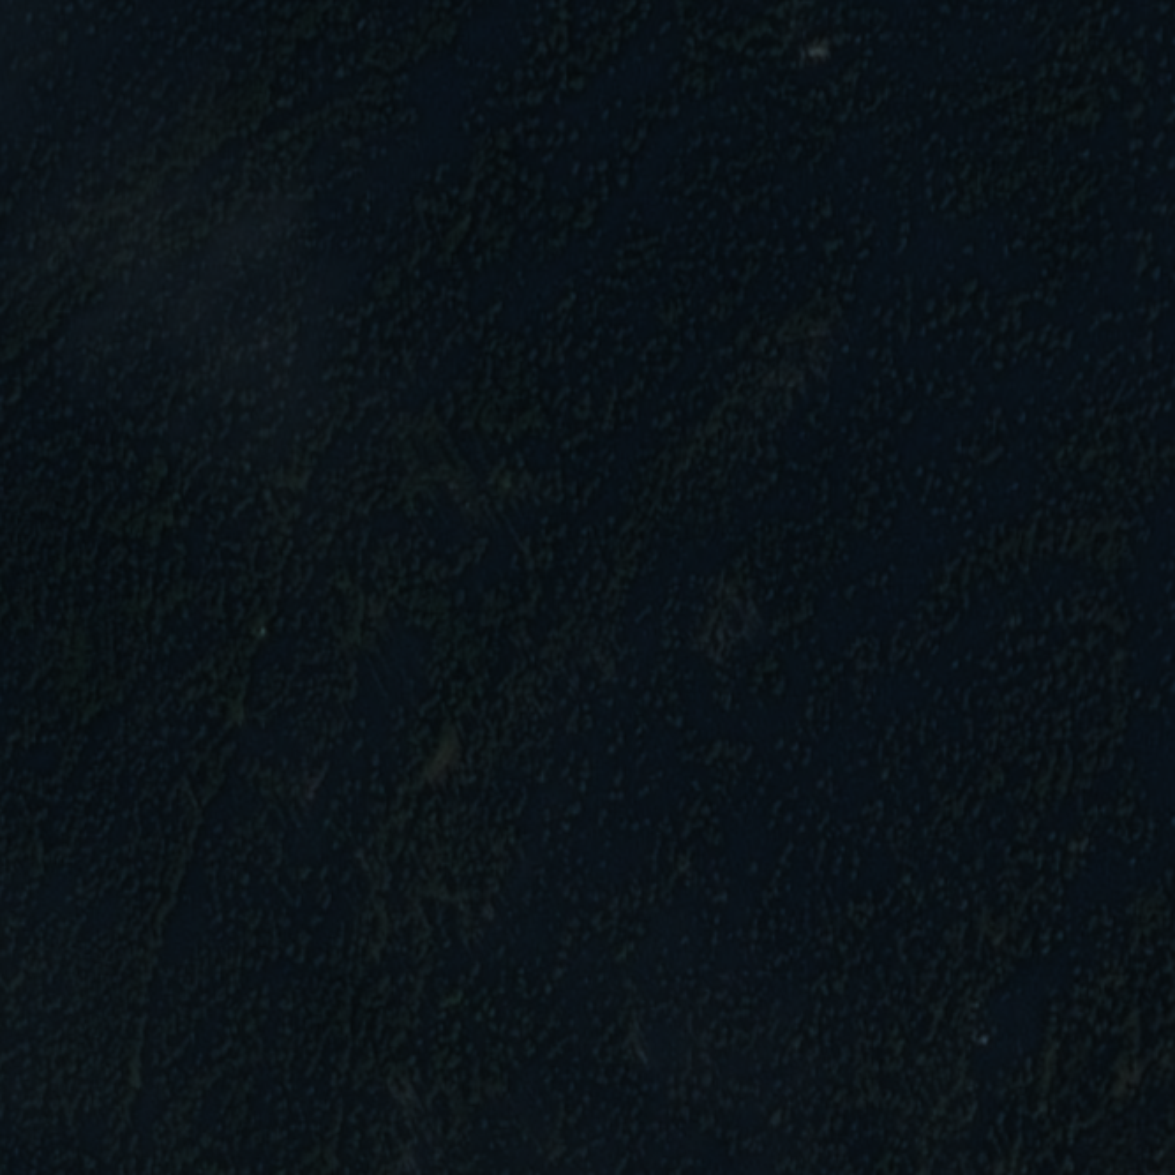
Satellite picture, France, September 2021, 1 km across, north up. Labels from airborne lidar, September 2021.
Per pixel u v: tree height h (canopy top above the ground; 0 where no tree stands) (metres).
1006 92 15
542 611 8
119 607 29
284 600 10
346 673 28
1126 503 14
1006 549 29
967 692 18
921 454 8
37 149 25
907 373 9
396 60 21
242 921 32
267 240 20
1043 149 16
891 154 12
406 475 31
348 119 26
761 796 15
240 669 29
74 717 27
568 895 26
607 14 9
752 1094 25
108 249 25
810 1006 14
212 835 37
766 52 12
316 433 15
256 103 24
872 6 12
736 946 21
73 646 18
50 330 23
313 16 27
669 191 28
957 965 8
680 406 14
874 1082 7
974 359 13
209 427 24
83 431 27
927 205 12
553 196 18
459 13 25
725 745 9
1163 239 28
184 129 28
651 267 20
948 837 9
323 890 7
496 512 27
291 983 16
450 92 18
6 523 22
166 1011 22
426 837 10
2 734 27
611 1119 28
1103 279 14
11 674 29
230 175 17
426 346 17
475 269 16
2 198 26
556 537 19
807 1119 30
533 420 13
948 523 22
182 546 8
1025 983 7
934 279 16
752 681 16
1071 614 26
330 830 14
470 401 22
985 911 8
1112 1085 17
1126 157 13
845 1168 16
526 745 17
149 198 20
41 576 25
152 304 30
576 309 16
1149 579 7
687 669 10
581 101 0
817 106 16
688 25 14
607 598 21
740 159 18
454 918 11
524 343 21
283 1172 17
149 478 18
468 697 14
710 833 8
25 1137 28
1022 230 17
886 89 14
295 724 29
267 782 25
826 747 7
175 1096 29
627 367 13
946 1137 7
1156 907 6
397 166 11
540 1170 12
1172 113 33
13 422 6
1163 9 28
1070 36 17
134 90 34
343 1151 11
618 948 7
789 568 15
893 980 24
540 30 21
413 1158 0
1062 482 8
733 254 17
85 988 22
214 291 27
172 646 12
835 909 11
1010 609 7
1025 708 29
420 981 24
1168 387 26
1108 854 12
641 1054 0
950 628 17
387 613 8
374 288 24
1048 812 9
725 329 12
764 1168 6
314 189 19
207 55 31
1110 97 10
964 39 10
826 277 18
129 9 35
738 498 6
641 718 11
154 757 18
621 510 16
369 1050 12
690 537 6
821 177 16
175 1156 30
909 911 14
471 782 7
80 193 39
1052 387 11
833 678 12
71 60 23
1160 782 8
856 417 30
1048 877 6
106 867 31
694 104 14
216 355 30
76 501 16
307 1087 11
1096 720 9
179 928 9
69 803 23
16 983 30
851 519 11
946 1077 9
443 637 12
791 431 10
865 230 29
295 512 18
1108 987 9
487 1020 7
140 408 30
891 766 11
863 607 10
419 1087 0
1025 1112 8
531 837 7
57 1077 28
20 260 7
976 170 16
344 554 23
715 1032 19
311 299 26
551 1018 12
